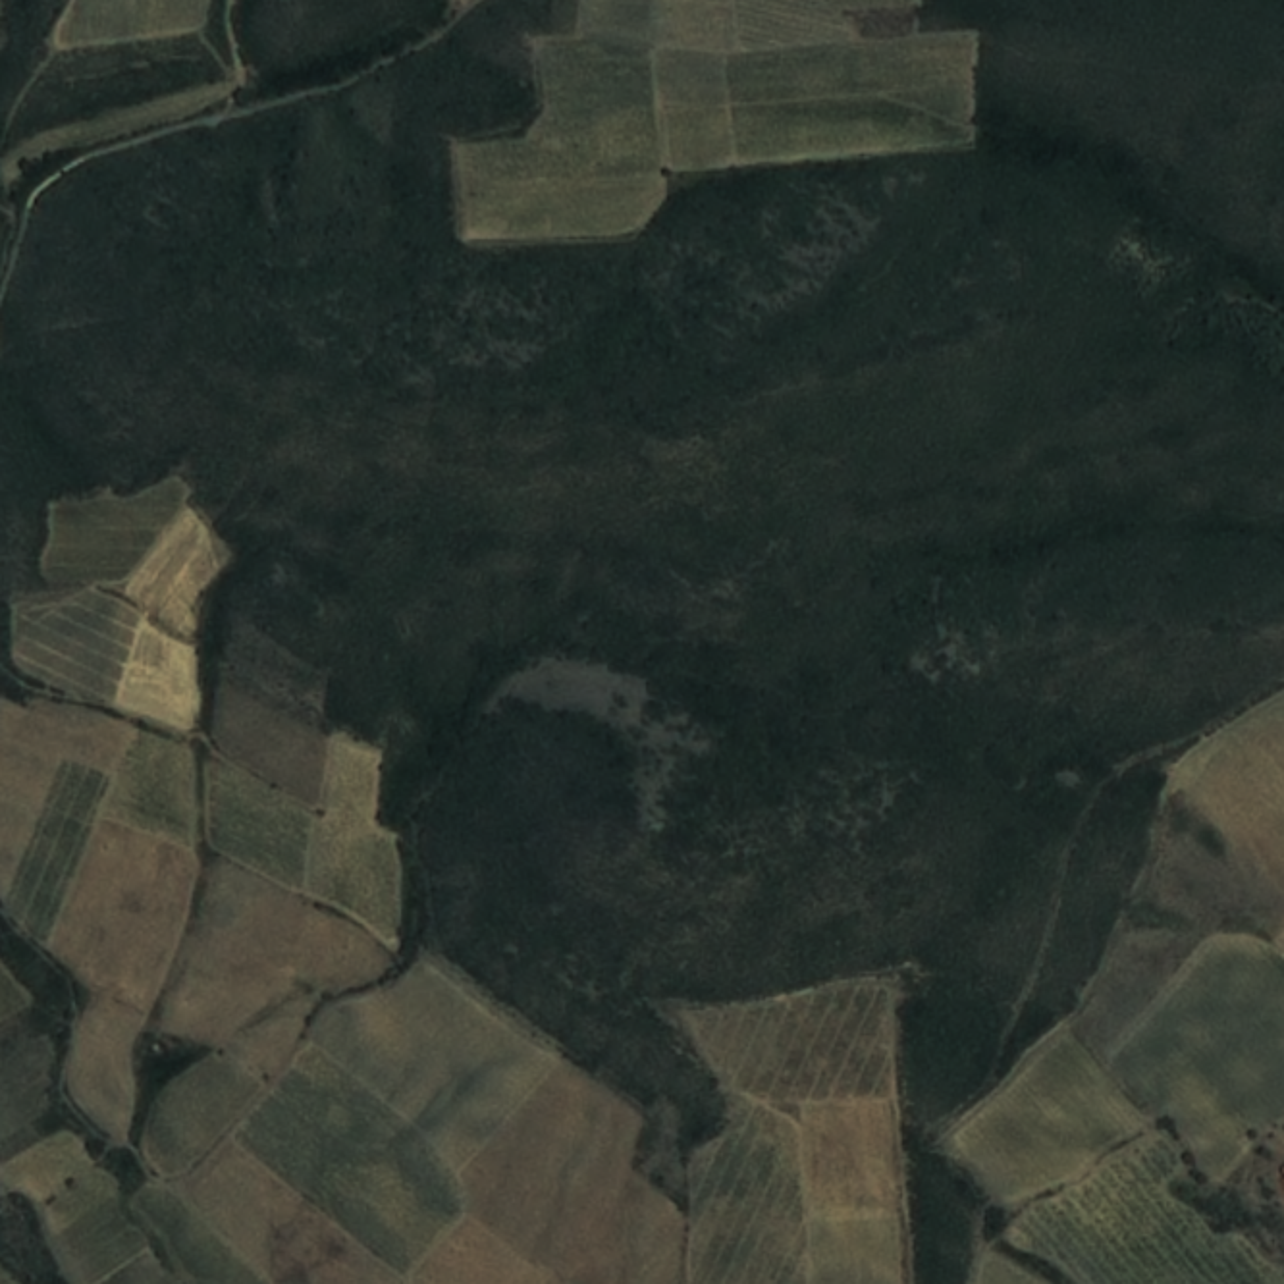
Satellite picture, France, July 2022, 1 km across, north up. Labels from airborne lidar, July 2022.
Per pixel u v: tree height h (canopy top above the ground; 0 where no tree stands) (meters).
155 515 0
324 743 0
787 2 0
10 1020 0
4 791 0
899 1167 0
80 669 0
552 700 0
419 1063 0
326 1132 0
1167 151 0
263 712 0
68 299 0
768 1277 0
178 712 0
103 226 0
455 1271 0
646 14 0
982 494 6
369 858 0
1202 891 0
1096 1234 0
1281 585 0
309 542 0
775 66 0
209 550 0
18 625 0
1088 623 0
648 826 0
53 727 0
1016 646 0
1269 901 0
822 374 0
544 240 0
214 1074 0
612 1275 0
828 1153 0
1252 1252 0
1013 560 6
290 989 0
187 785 0
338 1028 0
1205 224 6
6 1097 0
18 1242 0
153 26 0
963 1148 0
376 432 0
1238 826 0
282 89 7
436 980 0
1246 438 0
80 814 0
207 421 0
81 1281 0
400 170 6
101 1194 0
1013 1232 0
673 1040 0
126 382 0
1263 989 0
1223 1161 0
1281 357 13
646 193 0
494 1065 0
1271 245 0
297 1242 0
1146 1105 0
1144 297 8
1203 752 0
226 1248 0
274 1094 0
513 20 0
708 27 0
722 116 0
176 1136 0
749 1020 0
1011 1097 0
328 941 0
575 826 0
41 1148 0
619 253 0
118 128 0
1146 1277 0
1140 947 0
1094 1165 0
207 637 7
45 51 0
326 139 0
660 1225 0
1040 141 7
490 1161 0
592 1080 0
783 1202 0
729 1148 0
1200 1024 0
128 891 0
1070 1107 0
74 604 0
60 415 0
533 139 0
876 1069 0
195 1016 0
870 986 0
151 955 0
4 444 0
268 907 0
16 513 0
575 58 0
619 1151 0
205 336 0
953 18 0
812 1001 0
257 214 5
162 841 0
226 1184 0
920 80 0
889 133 0
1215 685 0
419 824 6
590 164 0
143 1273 0
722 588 0
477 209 0
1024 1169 0
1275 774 0
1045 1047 0
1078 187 5
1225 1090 0
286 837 0
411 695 6
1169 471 0
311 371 0
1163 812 0
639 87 0
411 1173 0
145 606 0
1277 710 0
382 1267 0
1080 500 6
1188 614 0
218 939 0
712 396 0
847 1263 0
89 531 0
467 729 7
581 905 0
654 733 0
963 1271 0
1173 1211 0
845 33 0
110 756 0
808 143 0
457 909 0
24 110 0
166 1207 0
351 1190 0
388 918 0
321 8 0
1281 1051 0
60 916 0
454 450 0
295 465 0
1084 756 6
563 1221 0
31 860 0
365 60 7
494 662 11
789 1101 0
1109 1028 0
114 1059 0
